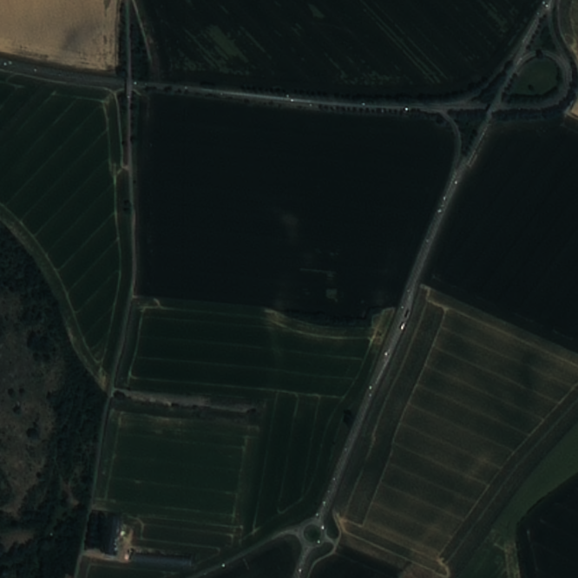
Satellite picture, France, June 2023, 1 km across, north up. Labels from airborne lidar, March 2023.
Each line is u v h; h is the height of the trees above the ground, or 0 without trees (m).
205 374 0
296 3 0
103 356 0
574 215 0
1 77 0
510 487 0
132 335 0
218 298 0
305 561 0
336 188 0
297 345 0
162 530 0
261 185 0
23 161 0
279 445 0
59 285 0
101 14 0
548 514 0
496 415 0
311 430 0
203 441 0
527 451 0
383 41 0
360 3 0
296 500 0
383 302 0
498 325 0
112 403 0
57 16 0
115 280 0
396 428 0
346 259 0
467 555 0
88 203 0
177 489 0
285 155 0
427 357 0
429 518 0
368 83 0
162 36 0
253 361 0
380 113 9
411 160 0
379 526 0
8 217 0
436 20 0
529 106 0
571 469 0
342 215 0
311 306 0
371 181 0
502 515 0
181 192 0
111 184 0
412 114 10
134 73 9
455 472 0
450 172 0
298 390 0
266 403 0
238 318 0
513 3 0
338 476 0
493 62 0
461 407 0
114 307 0
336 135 0
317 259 0
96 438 6
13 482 0
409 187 0
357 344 0
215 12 0
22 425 0
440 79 0
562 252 0
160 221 0
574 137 0
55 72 0
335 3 0
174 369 0
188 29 0
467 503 0
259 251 0
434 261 0
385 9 0
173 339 0
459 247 0
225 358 0
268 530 0
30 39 0
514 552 0
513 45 0
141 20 0
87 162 0
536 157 0
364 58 0
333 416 0
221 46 0
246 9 0
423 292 0
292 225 0
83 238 0
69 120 0
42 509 10
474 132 8
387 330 0
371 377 0
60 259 0
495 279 0
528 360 0
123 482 0
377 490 0
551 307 0
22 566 9
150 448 0
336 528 0
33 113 0
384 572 0
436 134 0
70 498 0
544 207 0
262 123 0
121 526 0
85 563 0
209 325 0
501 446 0
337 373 0
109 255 0
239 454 0
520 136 0
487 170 0
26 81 0
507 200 0
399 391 0
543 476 0
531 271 0
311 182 0
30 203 0
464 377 0
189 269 0
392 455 0
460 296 0
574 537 0
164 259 0
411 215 0
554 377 0
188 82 0
